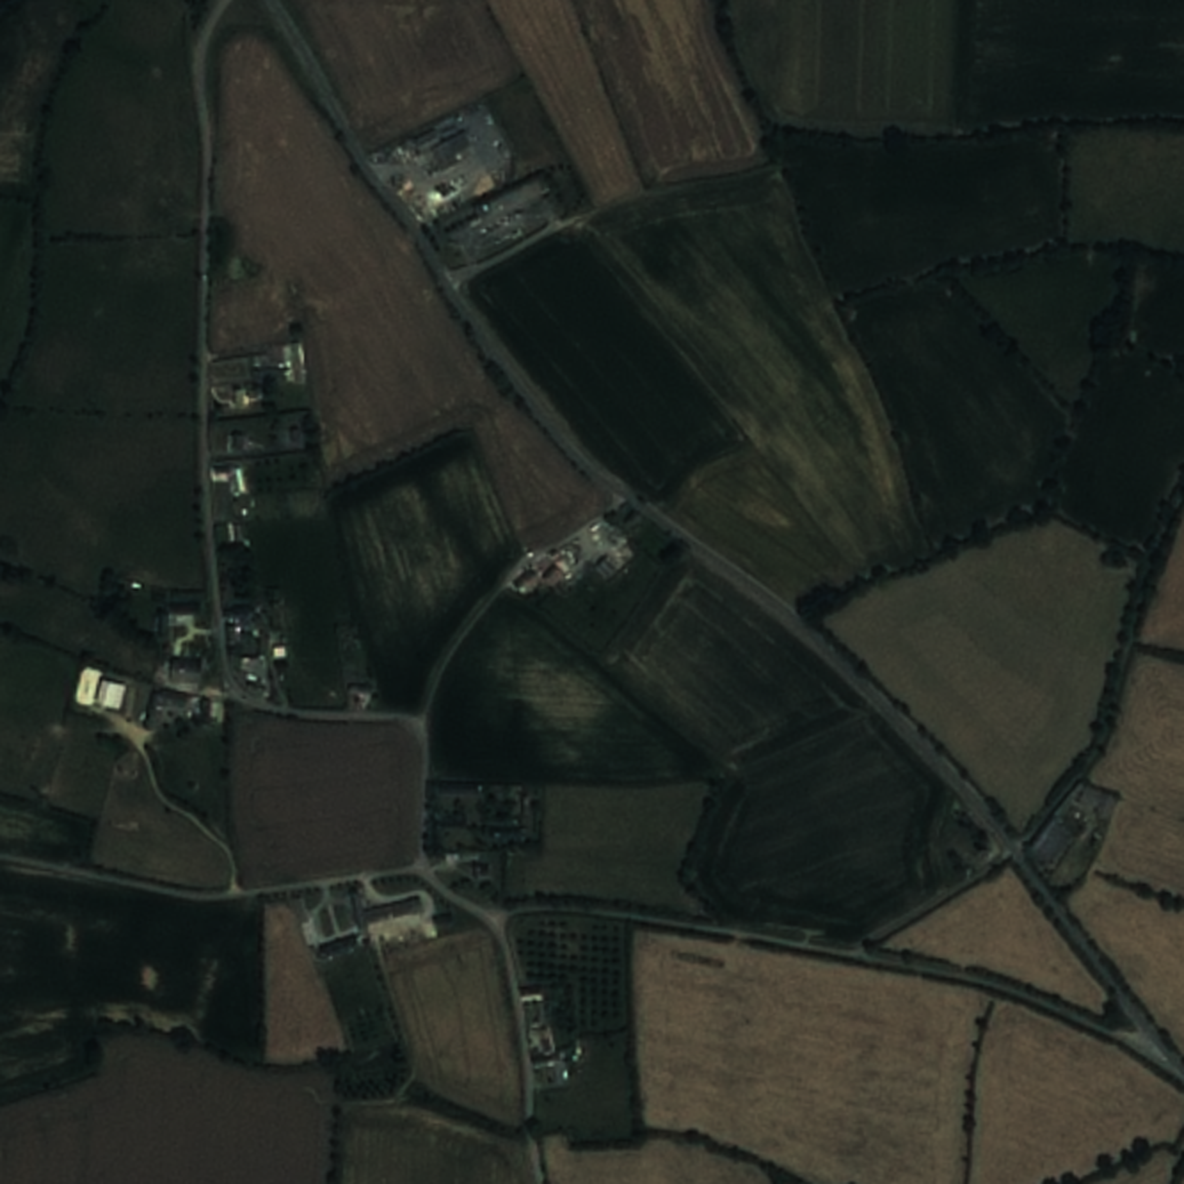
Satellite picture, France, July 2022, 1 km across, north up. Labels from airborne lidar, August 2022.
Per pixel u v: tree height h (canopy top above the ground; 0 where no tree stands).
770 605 0
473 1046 0
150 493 0
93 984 0
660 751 0
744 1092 0
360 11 0
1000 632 0
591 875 0
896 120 0
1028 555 0
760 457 0
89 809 0
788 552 0
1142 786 0
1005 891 0
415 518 0
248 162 0
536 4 0
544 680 0
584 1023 6
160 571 0
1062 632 0
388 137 0
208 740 0
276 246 0
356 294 0
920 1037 0
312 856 0
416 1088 0
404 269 0
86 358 0
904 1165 0
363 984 0
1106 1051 0
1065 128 9
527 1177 0
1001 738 0
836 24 0
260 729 0
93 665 9
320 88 0
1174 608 0
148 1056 0
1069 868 0
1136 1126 0
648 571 0
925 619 0
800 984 0
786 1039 0
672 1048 0
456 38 0
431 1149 0
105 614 18
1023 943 0
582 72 0
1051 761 0
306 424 12
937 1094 0
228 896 0
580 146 0
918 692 0
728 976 0
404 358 0
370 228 0
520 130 0
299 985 0
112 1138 0
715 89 0
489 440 0
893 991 0
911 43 0
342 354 0
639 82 0
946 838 0
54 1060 0
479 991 0
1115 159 0
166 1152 0
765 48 0
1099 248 11
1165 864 0
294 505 0
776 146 9
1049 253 14
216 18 0
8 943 0
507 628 0
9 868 0
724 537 0
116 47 0
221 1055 10
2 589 0
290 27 0
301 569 0
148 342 0
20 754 0
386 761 0
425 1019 0
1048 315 0
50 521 0
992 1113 0
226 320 0
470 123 0
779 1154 0
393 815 0
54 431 0
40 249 8
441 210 0
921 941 0
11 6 12
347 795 0
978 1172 0
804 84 0
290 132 0
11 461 0
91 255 0
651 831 0
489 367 12
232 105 0
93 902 0
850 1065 0
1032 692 0
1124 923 0
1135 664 0
